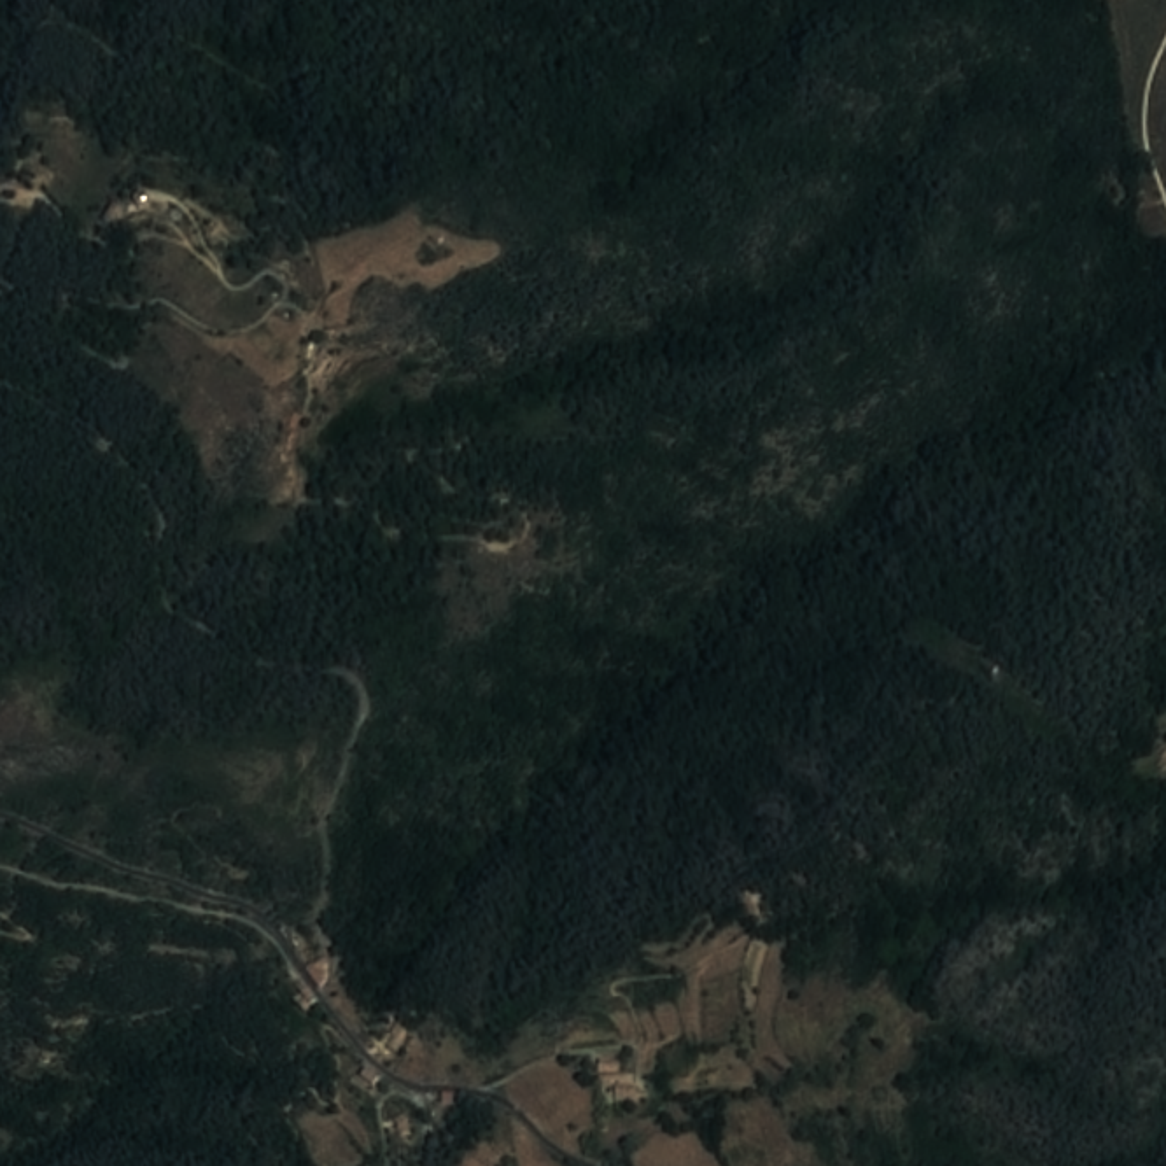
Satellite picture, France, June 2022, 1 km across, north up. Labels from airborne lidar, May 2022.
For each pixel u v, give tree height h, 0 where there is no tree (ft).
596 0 53
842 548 56
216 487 40
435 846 42
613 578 27
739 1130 0
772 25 74
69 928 23
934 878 20
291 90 55
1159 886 59
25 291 66
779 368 58
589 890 71
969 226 29
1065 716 56
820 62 87
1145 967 60
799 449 21
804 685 51
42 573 48
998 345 31
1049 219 24
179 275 0
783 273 25
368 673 26
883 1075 0
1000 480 32
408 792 28
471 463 22
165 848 27
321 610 55
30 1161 27
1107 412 27
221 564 69
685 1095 30
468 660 49
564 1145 0
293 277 0
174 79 36
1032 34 31
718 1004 0
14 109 54
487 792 40
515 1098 0
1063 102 32
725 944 0
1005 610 55
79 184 0
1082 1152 56
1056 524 53
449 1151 55
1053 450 53
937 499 46
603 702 29
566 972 35
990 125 28
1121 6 0
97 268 76
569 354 24
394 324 0
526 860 34
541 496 20
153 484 51
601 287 54
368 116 65
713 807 41
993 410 37
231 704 40
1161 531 27
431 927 47
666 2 36
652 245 26
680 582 24
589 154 22
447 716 35
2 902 31
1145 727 54
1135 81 0
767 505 21
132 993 32
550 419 0
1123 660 83
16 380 52
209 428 0
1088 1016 50
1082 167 75
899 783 26
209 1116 60
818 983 0
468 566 25
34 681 0
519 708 30
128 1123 35
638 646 19
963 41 30
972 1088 40
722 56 22
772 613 60
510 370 21
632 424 23
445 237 0
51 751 0
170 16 69
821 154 36
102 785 0
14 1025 30
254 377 0
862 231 39
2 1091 30
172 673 70
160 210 0
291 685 52
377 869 43
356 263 0
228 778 0
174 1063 33
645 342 42
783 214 21
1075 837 22
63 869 19
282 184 34
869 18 32
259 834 0
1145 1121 46
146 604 48
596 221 17
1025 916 40
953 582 52
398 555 47
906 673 34
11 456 69
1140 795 40
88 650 30
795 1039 0
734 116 38
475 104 42
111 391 73
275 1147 32
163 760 0
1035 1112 57
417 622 20
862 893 37
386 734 26
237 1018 52
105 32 49
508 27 53
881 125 37
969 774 46
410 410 26
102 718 41
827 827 34
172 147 21
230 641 62
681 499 20
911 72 21
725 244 27
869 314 31
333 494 28
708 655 72
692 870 42
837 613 37
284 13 19
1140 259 32
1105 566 78
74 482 69
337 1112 31
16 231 63
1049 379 63
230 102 47
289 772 0
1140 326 53
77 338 30
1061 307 39
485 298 27
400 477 29
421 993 42
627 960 40
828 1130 20
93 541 47
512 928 28
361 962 42
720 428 42
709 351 44
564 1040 0
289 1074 22
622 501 27
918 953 20
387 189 33
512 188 28
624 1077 0
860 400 31
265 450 0
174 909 25
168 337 0
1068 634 58
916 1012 25
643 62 42
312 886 22
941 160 27
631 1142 54
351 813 21
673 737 42
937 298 32
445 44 54
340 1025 0
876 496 60
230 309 0
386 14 48
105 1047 42
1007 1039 51
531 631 26
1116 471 57
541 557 25
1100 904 38
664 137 48
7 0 44
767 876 35
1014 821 33
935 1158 18
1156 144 0
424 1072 0
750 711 39
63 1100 25
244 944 23
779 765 26
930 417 24
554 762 26
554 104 35
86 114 28
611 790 53
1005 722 22
